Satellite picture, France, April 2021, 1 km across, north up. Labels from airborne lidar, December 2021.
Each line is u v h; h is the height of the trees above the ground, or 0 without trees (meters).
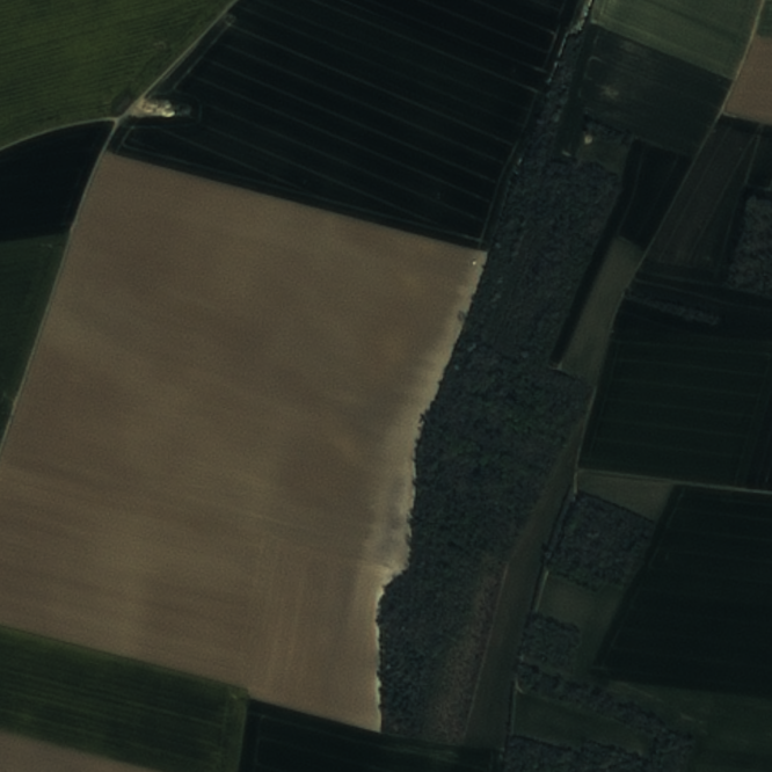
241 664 0
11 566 0
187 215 0
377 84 0
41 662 0
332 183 0
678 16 0
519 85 0
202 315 0
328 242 0
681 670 0
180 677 0
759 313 0
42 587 0
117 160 0
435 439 10
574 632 16
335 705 0
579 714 0
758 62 0
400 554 0
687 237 0
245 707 0
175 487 0
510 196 6
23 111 0
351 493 0
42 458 0
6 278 0
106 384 0
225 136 0
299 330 0
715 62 0
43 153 0
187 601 0
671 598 0
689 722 0
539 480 20
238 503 0
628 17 0
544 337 14
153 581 0
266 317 0
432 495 14
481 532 15
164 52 0
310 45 0
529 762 16
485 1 0
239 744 0
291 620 0
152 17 0
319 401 0
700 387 0
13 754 0
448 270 0
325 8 0
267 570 0
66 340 0
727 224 0
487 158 0
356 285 0
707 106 0
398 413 0
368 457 0
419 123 0
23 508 0
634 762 15
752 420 0
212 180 0
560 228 14
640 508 0
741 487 0
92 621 0
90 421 0
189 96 0
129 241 0
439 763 0
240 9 0
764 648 0
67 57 0
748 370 0
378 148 0
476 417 15
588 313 0
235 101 0
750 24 0
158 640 0
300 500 0
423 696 13
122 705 0
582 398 12
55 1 0
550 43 0
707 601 0
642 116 0
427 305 0
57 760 0
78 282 0
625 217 0
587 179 11
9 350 0
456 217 0
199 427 0
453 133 0
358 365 0
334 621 0
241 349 0
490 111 0
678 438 0
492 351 16
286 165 0
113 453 0
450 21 0
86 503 0
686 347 0
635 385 0
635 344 0
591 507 12
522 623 0
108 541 0
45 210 0
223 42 0
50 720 0
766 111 0
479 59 0
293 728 0
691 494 0
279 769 0
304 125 0
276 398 0
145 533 0
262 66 0
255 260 0
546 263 13
